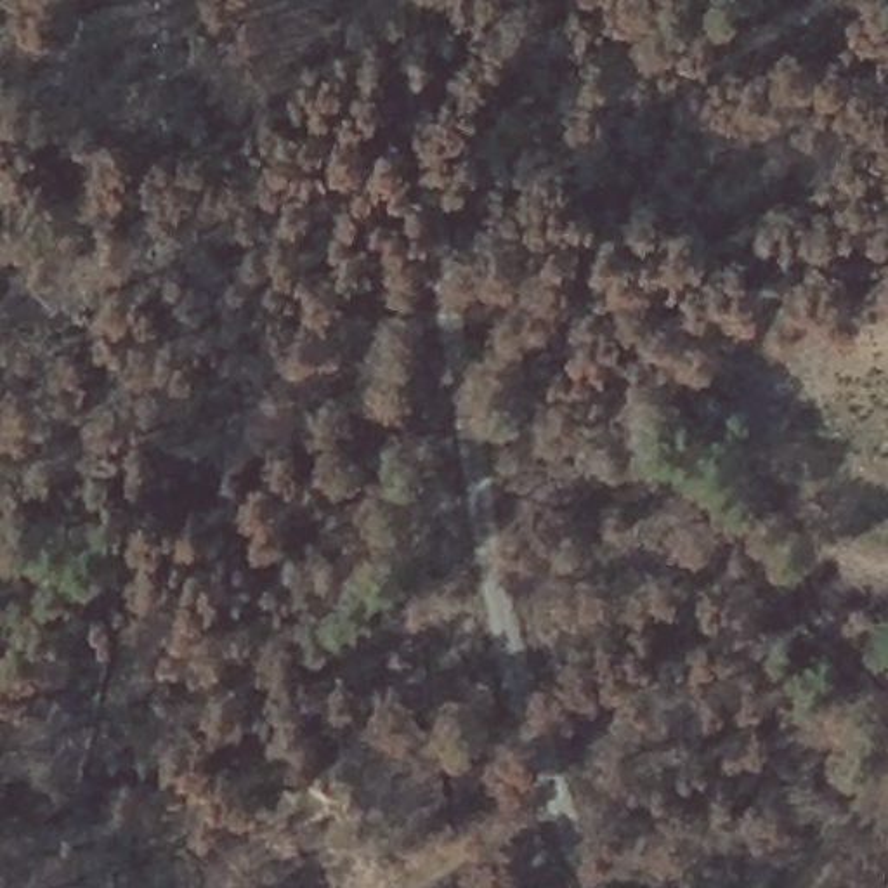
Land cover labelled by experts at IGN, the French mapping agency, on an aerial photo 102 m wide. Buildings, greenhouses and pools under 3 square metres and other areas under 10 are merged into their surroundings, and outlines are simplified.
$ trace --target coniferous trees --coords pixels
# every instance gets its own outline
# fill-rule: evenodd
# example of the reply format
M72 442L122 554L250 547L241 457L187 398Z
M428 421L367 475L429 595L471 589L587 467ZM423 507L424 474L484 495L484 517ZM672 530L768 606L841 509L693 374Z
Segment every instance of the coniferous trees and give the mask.
M42 871L52 857L66 857L76 843L97 833L125 833L146 839L160 822L177 826L187 839L212 839L219 829L225 829L225 822L239 822L243 815L264 808L274 812L284 794L284 767L302 763L305 777L316 784L309 787L312 815L330 819L319 850L319 864L326 867L330 888L888 888L888 590L853 586L839 576L839 565L833 558L822 562L815 552L822 545L853 541L888 520L888 489L850 475L850 441L822 437L819 406L801 395L801 382L784 364L770 361L767 350L801 343L815 333L815 326L826 326L836 336L857 336L860 326L888 323L888 0L0 0L0 871Z

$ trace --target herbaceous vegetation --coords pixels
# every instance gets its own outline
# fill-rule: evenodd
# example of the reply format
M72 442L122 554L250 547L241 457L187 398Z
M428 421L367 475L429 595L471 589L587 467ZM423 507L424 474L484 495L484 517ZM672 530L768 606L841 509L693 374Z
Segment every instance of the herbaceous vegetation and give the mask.
M815 326L815 333L801 343L767 350L770 361L784 364L801 382L801 395L819 406L822 437L850 441L850 475L888 489L888 323L860 326L857 336L836 336L826 326Z
M822 562L833 558L839 565L839 576L853 586L888 590L888 520L853 541L822 545L815 552Z

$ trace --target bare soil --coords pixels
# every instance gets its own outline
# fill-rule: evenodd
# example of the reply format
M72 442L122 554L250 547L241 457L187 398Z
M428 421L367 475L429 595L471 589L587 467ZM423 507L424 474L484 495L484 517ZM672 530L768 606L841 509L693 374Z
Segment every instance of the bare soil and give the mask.
M309 787L316 784L305 777L302 763L284 767L284 794L274 812L264 808L243 815L239 822L225 822L225 829L219 829L212 839L187 839L177 826L160 822L146 839L125 833L97 833L76 843L66 857L52 857L42 871L0 871L0 888L330 888L326 867L319 864L319 850L330 819L312 815Z

